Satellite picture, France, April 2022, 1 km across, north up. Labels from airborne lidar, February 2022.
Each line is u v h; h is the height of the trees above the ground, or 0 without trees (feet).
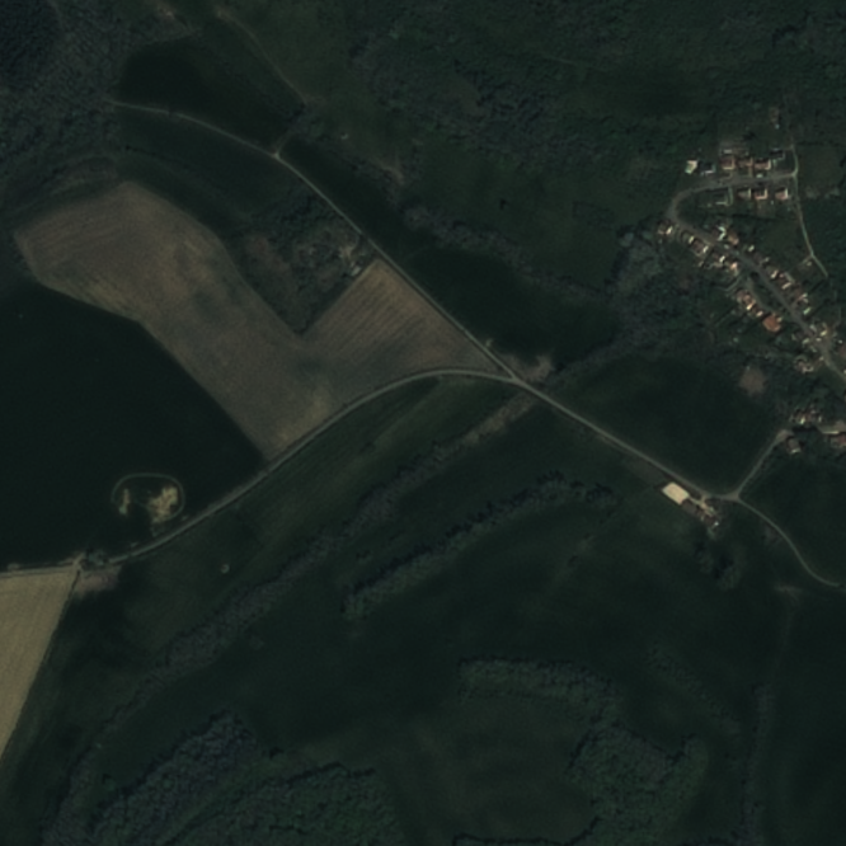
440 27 17
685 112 0
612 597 0
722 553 0
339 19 0
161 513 0
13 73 55
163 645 0
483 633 0
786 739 0
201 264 0
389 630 0
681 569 0
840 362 0
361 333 0
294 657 0
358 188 0
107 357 0
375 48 57
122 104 0
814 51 58
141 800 74
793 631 0
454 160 0
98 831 59
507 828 0
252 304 0
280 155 0
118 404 0
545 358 0
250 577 0
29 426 0
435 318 0
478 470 0
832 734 0
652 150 41
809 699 0
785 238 0
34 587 0
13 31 68
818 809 0
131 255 0
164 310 0
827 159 0
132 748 0
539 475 0
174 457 0
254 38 0
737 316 0
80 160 0
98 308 0
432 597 0
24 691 0
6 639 0
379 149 0
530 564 0
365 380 0
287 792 72
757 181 0
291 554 0
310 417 0
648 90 0
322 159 0
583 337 0
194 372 0
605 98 0
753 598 0
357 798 73
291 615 0
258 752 70
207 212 0
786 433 0
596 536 0
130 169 0
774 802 0
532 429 0
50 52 83
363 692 0
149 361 0
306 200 21
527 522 0
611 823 68
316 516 0
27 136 104
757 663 0
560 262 0
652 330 99
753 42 34
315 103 0
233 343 0
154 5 0
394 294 0
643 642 0
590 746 49
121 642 0
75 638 0
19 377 0
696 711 0
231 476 0
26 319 0
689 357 0
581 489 43
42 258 0
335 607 0
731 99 18
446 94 0
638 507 0
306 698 0
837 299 21
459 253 0
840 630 0
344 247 0
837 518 0
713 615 0
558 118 39
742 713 0
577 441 0
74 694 0
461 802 0
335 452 0
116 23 62
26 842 0
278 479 0
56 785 0
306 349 0
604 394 0
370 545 0
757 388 0
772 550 0
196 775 69
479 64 24
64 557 0
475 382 0
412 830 0
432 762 0
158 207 0
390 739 0
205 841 74
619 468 0
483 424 0
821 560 0
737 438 0
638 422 0
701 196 0
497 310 0
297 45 0
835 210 31
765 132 0
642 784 71
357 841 70
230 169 0
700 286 62
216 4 0
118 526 0
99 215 0
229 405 0
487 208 0
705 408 0
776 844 0
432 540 0
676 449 0
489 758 0
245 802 57
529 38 0
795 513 0
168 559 0
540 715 0
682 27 34
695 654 0
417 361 0
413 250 0
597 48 58
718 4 22
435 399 0
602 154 54
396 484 50
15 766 0
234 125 0
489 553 0
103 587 0
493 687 0
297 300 0
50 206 0
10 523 0
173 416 0
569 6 43
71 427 0
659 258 86
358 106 0
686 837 0
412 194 0
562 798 0
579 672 22
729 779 0
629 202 0
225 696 0
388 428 0
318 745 0
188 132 0
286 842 94
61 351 0
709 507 0
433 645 0
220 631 24
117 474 0
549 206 0
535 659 17
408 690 0
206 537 0
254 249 0
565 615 0
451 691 0
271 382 0
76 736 0
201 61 0
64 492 0
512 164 47
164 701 0
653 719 0
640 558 0
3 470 0
